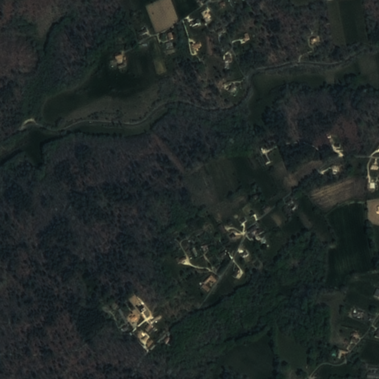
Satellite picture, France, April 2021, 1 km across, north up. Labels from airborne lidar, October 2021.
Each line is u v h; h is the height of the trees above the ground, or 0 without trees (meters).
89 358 12
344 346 0
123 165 7
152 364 14
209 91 14
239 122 16
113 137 6
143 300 0
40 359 7
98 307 19
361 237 0
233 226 0
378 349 0
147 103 0
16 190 23
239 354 0
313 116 7
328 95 17
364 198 0
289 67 11
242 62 9
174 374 17
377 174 0
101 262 21
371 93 18
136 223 15
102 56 0
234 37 10
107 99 0
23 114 17
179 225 20
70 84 18
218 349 26
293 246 14
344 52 14
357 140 0
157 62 0
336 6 0
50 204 15
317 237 18
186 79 14
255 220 0
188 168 13
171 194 17
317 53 18
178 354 24
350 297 0
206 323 17
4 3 25
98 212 27
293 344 0
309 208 0
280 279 13
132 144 15
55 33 21
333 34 0
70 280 22
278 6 12
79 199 22
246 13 13
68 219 12
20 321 14
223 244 7
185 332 24
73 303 24
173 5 0
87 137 18
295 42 8
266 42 12
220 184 0
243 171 0
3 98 27
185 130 15
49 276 11
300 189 13
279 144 23
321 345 16
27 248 25
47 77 24
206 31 12
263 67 16
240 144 25
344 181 0
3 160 0
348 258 0
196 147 9
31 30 23
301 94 12
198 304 9
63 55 11
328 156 16
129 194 13
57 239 28
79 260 22
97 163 12
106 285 8
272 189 0
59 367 8
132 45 10
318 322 22
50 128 14
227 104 20
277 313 22
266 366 0
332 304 0
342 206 0
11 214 9
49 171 10
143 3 0
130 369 7
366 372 15
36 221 11
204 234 6
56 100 0
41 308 14
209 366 22
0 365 15
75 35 19
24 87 19
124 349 18
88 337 20
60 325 11
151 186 7
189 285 6
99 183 7
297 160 24
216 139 19
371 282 0
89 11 16
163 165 25
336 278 0
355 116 9
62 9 21
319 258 23
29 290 19
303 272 17
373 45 14
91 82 0
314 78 0
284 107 13
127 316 8
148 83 0
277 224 0
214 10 6
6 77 9
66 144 16
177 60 9
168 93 16
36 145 0
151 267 15
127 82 0
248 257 0
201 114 21
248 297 22
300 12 11
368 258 0
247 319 26
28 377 11
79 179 7
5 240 10
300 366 0
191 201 14
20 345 10
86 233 14
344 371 0
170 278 12
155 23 0
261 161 8
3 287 9
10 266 9
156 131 15
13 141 22
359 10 0
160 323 0
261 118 0
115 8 9
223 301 20
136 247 19
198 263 0
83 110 0
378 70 0
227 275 0
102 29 11
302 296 13
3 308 10
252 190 8
